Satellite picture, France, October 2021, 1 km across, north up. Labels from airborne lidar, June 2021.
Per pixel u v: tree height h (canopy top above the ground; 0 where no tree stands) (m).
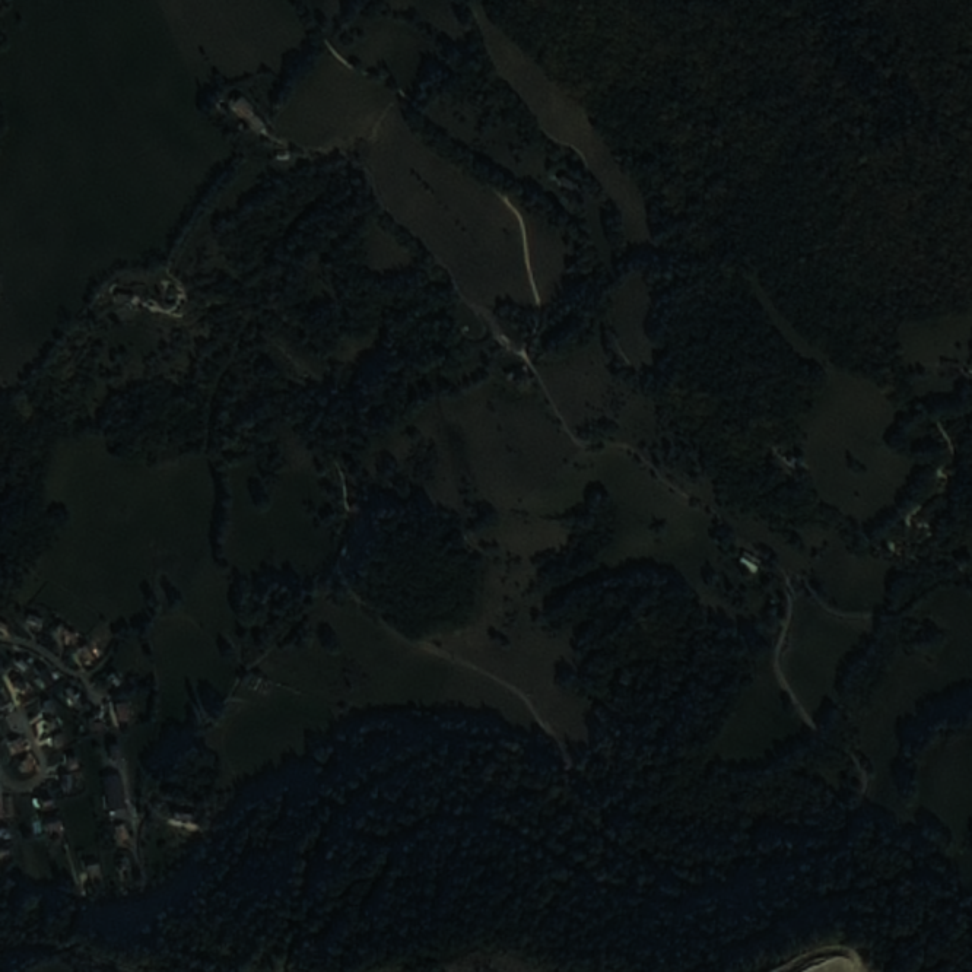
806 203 16
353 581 13
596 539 14
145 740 0
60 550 0
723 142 16
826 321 15
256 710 0
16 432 14
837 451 0
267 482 12
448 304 13
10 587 21
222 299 14
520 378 16
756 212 16
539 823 21
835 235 14
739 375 16
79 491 0
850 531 13
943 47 27
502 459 0
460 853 23
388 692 0
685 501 0
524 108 12
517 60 0
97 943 17
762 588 7
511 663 0
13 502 23
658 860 28
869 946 25
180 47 0
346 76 0
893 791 0
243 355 10
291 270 22
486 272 0
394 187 0
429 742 23
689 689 22
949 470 8
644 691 12
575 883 22
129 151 0
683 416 20
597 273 10
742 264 21
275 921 22
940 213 18
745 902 24
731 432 21
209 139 0
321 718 0
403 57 0
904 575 13
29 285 0
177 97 0
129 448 15
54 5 0
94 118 0
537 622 12
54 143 0
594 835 21
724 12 24
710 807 21
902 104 23
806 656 0
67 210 0
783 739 0
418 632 14
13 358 0
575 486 0
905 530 11
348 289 18
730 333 23
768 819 11
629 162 17
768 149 26
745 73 21
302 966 21
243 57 0
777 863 21
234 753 0
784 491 18
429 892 28
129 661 0
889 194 15
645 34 25
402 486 18
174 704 0
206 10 0
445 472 0
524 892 20
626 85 22
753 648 19
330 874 27
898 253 14
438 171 0
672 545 0
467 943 20
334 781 22
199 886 29
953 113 25
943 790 0
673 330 20
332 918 14
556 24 23
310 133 0
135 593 0
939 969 32
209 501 0
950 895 26
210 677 0
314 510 8
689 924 24
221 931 21
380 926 28
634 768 24
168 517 0
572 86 19
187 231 9
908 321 14
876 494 0
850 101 24
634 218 0
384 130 0
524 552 0
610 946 23
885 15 25
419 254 13
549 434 0
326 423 21
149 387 8
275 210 17
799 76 21
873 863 30
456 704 0
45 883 0
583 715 0
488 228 0
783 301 20
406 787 19
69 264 0
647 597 27
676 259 15
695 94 23
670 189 24
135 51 0
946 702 0
